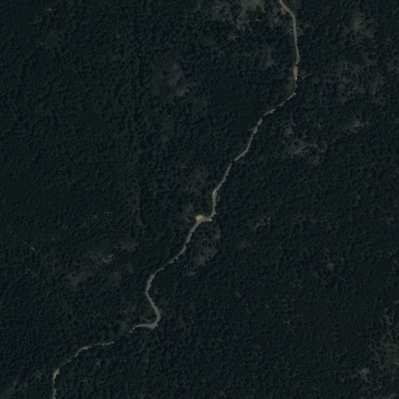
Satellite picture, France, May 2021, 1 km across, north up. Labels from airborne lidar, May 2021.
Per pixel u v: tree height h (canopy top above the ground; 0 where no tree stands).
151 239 15
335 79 15
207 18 14
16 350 22
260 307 14
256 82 22
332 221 20
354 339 17
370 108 19
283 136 11
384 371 11
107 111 26
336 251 22
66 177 27
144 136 18
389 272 21
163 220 22
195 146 18
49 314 14
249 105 17
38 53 25
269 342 15
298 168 15
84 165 26
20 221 14
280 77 21
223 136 17
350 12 15
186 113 25
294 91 0
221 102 16
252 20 17
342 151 20
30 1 18
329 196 28
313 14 17
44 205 19
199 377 22
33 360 11
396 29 15
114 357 28
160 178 10
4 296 18
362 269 22
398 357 0
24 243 15
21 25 16
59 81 27
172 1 21
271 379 27
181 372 19
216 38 9
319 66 26
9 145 20
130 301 10
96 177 28
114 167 25
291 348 14
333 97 20
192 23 19
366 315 19
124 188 17
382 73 12
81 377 14
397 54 15
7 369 17
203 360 18
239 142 21
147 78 27
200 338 25
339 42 27
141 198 16
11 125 15
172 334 21
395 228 19
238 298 12
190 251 15
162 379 29
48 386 21
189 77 17
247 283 23
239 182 22
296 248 29
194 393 19
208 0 6
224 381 21
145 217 25
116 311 9
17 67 25
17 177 20
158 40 25
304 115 18
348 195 25
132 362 20
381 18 12
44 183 20
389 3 17
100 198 16
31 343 16
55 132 29
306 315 20
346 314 19
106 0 15
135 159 10
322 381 21
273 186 23
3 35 22
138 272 11
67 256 19
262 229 21
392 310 13
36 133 19
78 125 25
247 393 22
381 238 19
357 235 18
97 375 18
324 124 24
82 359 18
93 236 17
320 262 19
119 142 34
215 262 20
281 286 19
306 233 19
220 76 17
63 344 22
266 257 20
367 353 15
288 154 10
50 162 26
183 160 14
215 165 13
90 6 21
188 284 17
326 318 20
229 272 23
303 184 16
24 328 18
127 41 30
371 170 24
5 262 9
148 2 31
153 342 27
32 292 23
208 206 19
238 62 20
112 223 14
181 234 11
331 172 19
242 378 22
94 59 27
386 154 25
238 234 23
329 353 20
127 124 25
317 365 19
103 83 26
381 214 20
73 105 19
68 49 22
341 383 20
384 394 19
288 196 23
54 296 23
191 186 9
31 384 15
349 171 24
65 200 14
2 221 16
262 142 14
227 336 17
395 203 20
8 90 20
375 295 20
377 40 11
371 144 22
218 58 14
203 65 17
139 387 19
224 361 27
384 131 20
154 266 15
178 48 6
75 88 25
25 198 16
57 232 6
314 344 18
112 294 13
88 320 11
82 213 14
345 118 18
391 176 27
